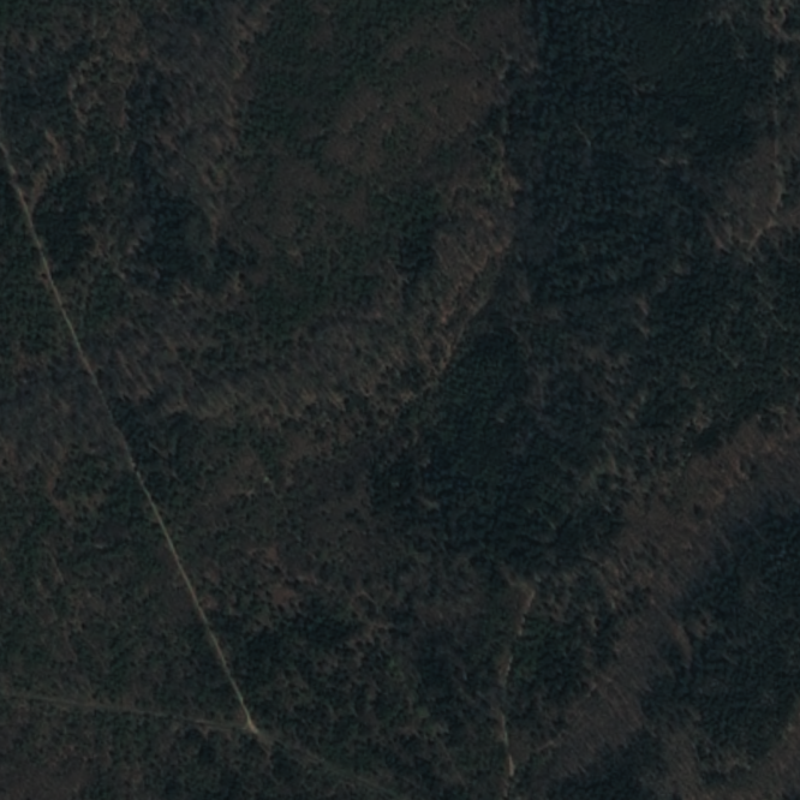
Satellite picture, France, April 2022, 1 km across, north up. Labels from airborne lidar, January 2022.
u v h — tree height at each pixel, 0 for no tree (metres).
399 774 12
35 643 7
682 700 23
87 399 30
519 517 26
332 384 23
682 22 7
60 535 9
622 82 22
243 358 8
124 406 21
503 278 35
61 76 16
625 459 20
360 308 9
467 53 10
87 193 14
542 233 23
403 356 19
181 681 9
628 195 27
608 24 20
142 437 26
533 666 15
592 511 22
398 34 6
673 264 20
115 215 15
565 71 26
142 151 11
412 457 7
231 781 10
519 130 21
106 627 8
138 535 9
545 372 31
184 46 22
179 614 10
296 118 10
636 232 24
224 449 11
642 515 8
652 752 23
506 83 7
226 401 28
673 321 23
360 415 9
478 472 11
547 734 14
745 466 15
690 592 25
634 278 21
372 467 9
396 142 9
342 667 9
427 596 12
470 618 14
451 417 10
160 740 15
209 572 10
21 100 22
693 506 14
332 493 10
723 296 22
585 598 26
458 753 25
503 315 9
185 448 13
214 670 8
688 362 27
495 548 28
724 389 21
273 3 7
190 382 25
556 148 16
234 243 10
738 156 10
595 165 21
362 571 10
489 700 28
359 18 14
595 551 15
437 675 17
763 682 21
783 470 23
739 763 15
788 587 25
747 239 11
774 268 22
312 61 11
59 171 31
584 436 23
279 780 8
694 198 10
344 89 13
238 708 7
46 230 12
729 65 7
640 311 23
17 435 31
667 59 7
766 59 10
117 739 15
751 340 21
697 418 23
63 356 6
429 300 20
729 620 18
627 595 31
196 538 10
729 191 11
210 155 20
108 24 6
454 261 21
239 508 11
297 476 10
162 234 20
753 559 22
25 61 24
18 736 8
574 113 32
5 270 14
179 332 27
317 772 14
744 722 26
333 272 7
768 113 12
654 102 13
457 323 7
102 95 11
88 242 13
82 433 30
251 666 10
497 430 11
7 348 9
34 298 6
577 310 22
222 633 6
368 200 10
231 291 19
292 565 10
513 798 7
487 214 32
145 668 7
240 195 8
